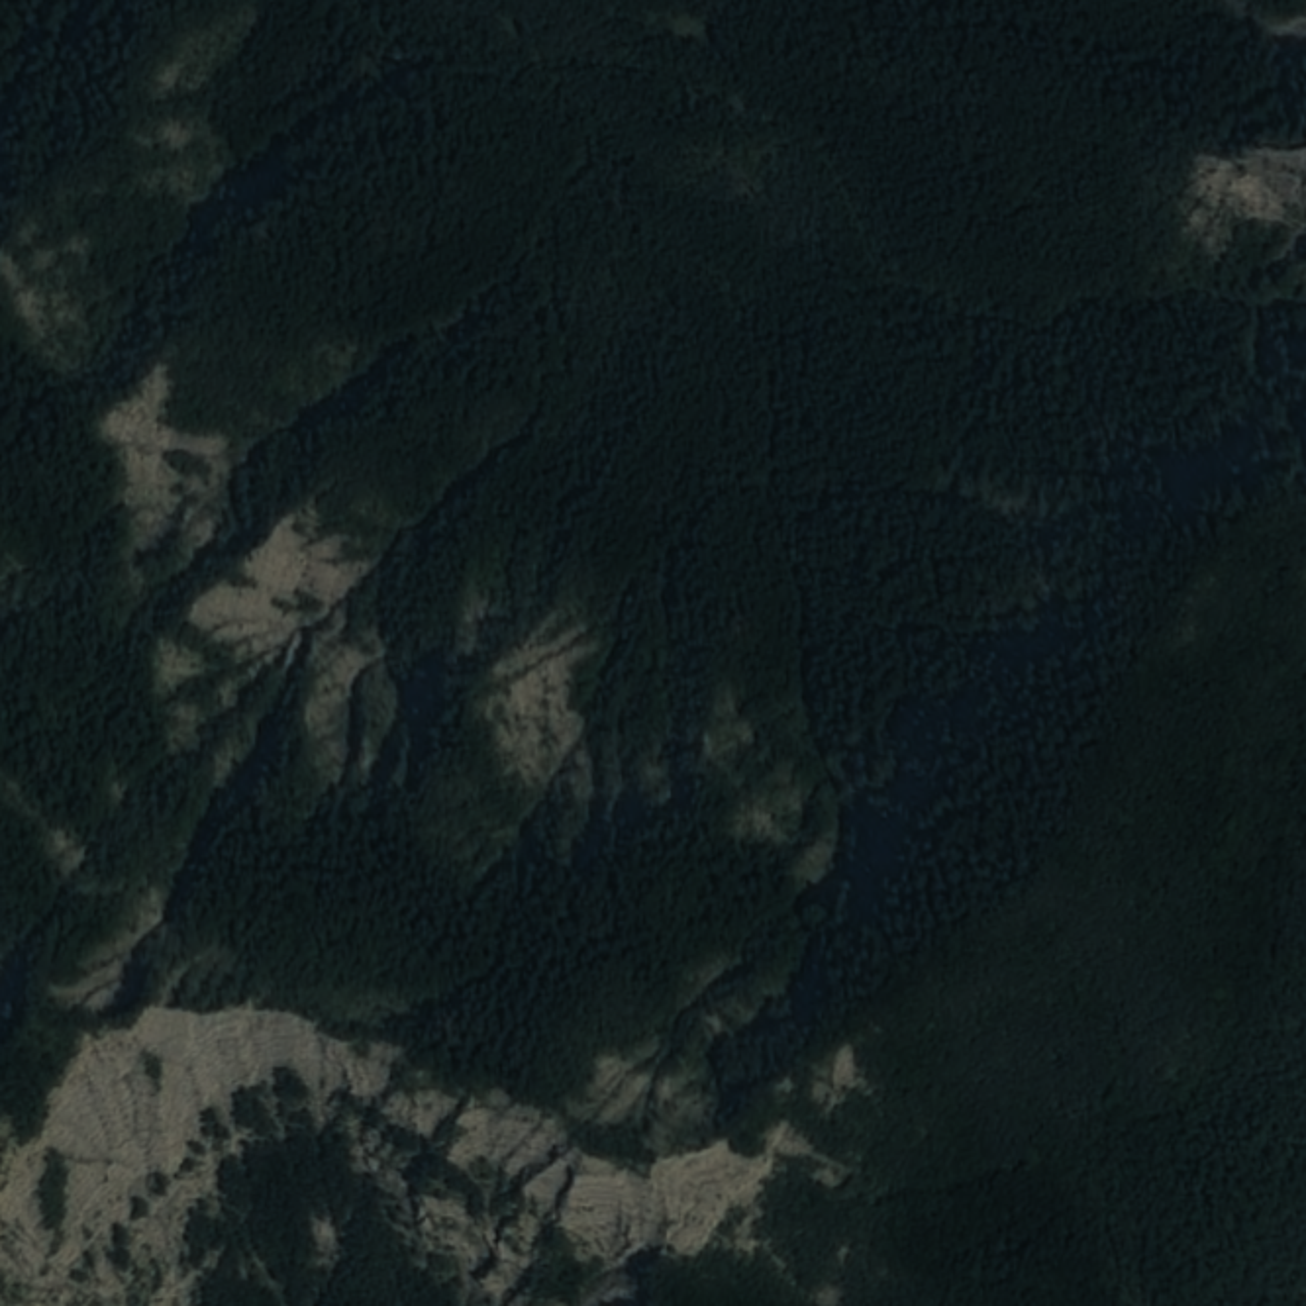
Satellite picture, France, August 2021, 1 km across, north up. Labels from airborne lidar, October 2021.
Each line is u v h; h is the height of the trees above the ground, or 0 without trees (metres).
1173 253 8
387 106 33
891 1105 11
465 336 9
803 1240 8
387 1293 13
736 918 17
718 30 19
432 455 15
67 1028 7
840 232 16
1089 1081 12
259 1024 0
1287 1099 11
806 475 27
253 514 6
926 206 26
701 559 21
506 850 6
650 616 16
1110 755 15
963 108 19
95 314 9
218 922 12
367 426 22
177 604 8
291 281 14
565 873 16
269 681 12
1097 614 17
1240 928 14
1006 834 22
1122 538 15
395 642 9
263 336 21
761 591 30
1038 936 14
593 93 15
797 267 22
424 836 12
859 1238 9
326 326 18
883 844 7
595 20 14
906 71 18
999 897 20
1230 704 20
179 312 12
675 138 16
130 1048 0
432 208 16
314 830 14
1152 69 16
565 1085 7
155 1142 0
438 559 21
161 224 10
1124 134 15
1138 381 26
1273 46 23
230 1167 17
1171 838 18
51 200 7
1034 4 26
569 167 20
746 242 18
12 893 11
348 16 25
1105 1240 15
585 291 9
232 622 0
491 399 18
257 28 11
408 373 31
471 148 19
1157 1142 14
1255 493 8
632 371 20
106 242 13
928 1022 11
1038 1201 20
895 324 16
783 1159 6
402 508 8
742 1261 12
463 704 11
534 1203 6
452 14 18
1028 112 16
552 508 24
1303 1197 12
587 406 10
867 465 25
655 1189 0
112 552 20
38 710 25
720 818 19
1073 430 18
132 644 16
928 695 15
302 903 24
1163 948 15
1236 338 13
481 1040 18
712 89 10
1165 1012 13
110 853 7
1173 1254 11
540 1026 24
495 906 19
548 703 6
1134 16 23
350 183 28
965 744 26
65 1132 0
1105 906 12
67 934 8
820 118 27
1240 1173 20
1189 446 18
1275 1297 9
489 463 9
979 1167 16
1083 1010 16
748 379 24
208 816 14
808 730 9
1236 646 19
